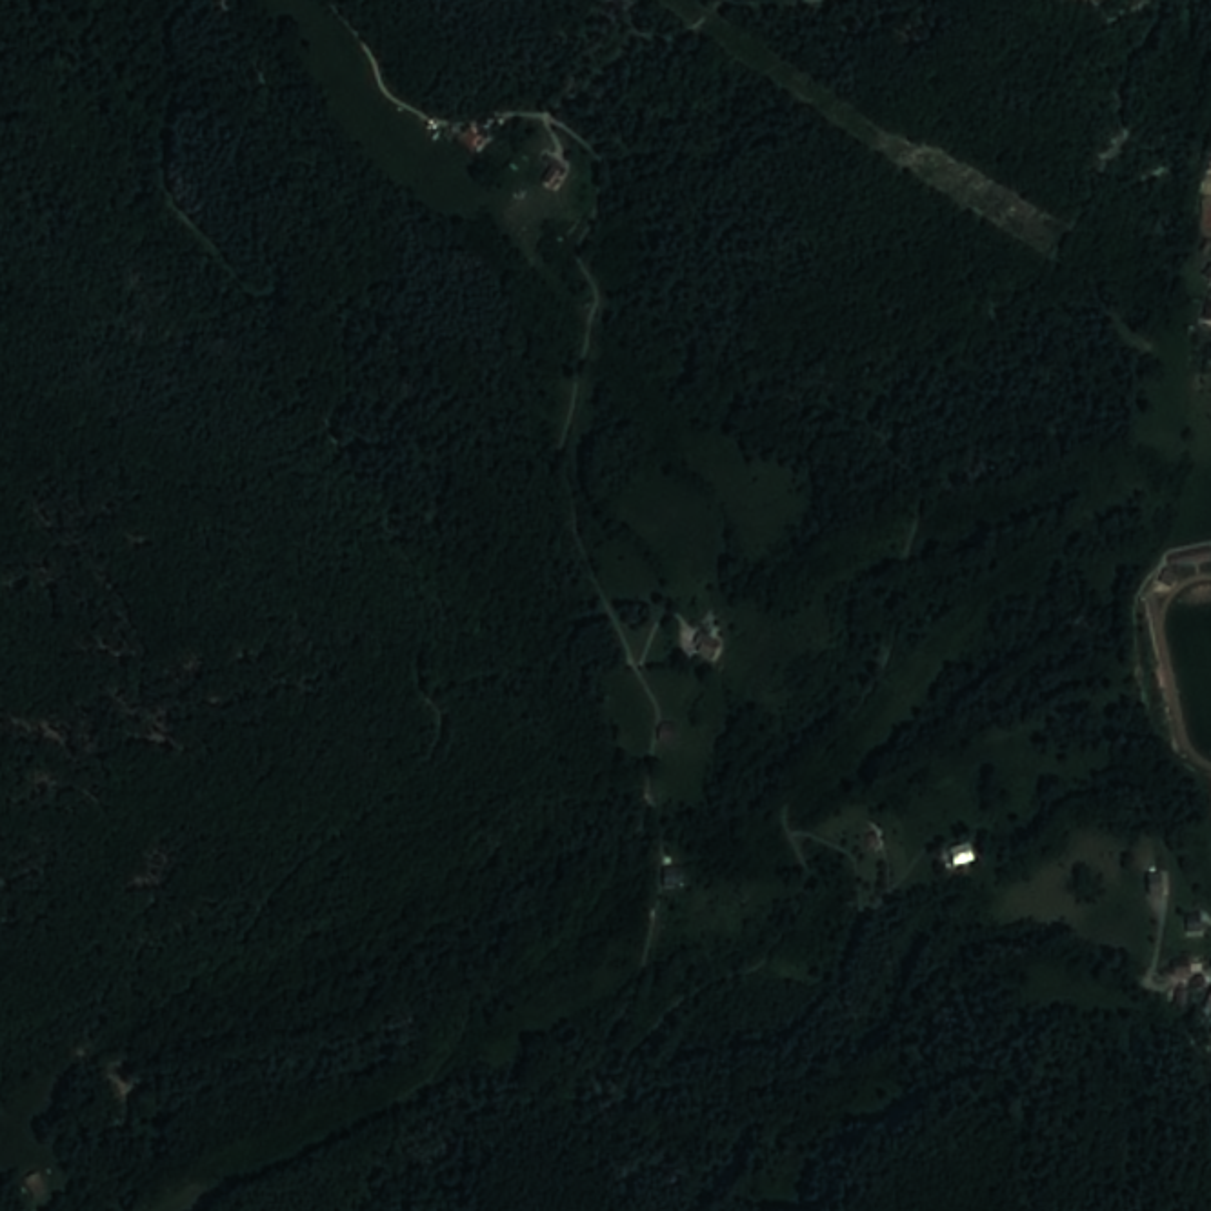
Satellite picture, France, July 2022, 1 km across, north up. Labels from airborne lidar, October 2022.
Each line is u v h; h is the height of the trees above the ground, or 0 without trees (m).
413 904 21
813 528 25
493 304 26
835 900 7
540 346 27
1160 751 27
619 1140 31
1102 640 18
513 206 0
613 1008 12
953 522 7
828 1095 34
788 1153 44
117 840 20
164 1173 25
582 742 23
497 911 20
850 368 24
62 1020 25
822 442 30
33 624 21
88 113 24
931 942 32
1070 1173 21
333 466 18
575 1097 18
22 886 24
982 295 18
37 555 29
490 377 23
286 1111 31
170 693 24
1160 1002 6
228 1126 28
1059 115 15
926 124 14
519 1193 29
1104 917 0
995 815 18
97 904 19
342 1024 27
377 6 19
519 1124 35
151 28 21
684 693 0
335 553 24
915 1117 38
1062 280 29
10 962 24
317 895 22
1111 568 0
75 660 21
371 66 0
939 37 26
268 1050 33
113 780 24
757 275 22
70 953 21
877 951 27
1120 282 12
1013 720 33
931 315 27
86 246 19
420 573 13
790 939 16
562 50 24
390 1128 22
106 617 23
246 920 21
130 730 25
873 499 19
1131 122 21
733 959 7
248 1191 28
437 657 28
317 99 18
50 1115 7
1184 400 0
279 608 21
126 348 25
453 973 39
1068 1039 24
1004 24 19
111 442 23
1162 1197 21
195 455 21
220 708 22
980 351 26
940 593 7
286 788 23
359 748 18
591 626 23
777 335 29
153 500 19
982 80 28
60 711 27
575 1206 29
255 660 24
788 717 8
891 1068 9
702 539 0
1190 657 0
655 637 0
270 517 25
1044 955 12
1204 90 20
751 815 27
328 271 28
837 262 19
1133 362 29
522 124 16
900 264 26
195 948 27
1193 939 0
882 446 22
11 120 27
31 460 30
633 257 7
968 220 17
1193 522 0
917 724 9
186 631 21
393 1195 24
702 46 21
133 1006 24
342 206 21
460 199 0
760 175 24
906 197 19
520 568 23
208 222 27
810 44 15
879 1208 27
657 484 0
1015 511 0
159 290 21
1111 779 10
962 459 33
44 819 22
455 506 23
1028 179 20
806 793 7
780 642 0
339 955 20
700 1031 11
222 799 19
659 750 0
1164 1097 8
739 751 18
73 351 21
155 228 23
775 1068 33
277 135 22
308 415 29
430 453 22
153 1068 25
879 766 26
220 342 25
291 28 24
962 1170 20
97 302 19
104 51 9
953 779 0
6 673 16
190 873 22
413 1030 35
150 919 19
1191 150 18
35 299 19
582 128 19
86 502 27
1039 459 26
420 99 16
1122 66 12
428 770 18
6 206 24
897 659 11
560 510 19
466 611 23
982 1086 35
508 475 27
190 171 29
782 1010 15
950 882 5
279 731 23
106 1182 21
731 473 0
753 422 26
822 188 20
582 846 15
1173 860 0
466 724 20
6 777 26
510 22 24
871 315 25
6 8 22
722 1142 16
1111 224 30
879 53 29
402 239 25
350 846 19
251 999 23
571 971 12
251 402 22
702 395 32
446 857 25
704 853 8
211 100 26
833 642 7
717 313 15
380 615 15
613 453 26
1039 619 18
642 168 18
